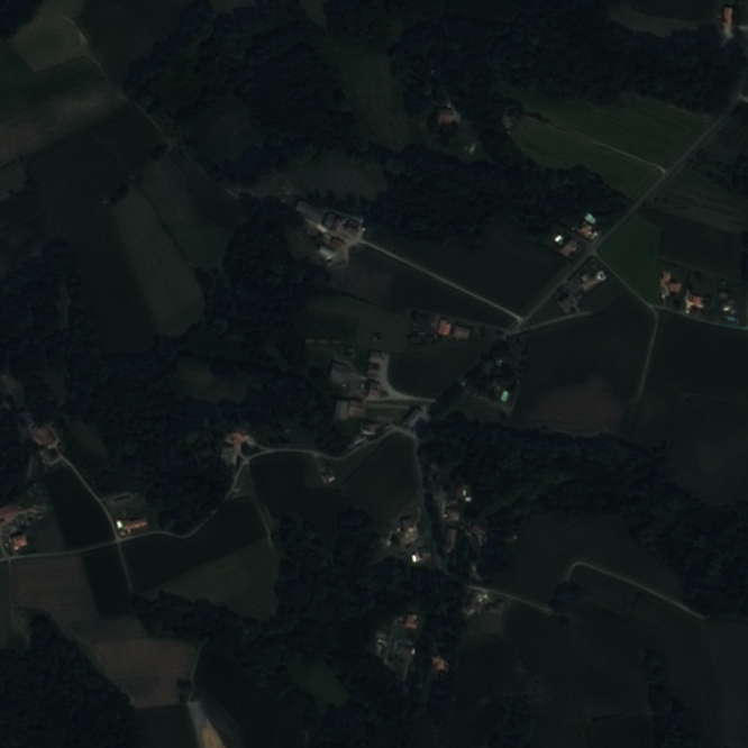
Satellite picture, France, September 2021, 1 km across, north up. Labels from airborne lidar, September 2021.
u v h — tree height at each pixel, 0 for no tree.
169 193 0
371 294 0
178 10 0
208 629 22
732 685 0
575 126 0
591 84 23
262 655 29
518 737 26
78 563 0
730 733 0
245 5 0
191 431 25
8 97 0
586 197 26
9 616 0
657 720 13
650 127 0
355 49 0
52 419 8
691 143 0
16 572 0
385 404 0
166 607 21
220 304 19
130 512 0
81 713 31
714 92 23
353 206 16
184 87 0
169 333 0
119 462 0
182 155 9
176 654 0
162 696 0
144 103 20
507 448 33
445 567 0
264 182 0
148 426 15
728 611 22
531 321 0
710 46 28
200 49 19
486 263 0
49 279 18
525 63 30
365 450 0
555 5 25
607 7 18
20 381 13
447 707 21
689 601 19
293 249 0
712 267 0
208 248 0
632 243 0
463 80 21
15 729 23
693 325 0
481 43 19
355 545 30
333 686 0
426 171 25
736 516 16
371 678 30
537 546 0
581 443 17
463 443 28
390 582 30
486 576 17
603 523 0
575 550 0
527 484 32
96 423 23
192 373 0
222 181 11
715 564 26
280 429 12
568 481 25
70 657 23
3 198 0
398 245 0
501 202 9
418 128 0
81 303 22
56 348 17
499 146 26
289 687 20
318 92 11
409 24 0
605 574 0
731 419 0
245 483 0
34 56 0
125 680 0
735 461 0
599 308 0
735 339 0
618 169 0
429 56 18
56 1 0
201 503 20
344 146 19
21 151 0
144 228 0
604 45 28
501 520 20
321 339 0
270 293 30
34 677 26
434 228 21
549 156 0
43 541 0
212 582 0
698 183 0
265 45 14
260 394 0
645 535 32
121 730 24
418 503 0
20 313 22
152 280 0
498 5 14
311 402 21
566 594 19
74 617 0
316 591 26
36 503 0
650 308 0
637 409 0
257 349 24
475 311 0
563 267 0
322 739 16
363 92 0
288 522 17
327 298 0
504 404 0
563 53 28
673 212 0
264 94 28
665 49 23
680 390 0
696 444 0
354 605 31
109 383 24
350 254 0
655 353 0
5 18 24
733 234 0
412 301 0
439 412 17
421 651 21
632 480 11
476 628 0
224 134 0
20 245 0
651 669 9
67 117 0
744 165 16
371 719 26
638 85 13
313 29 13
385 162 23
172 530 11
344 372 0
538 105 0
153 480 10
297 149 25
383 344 0
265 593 0
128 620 0
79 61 0
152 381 23
